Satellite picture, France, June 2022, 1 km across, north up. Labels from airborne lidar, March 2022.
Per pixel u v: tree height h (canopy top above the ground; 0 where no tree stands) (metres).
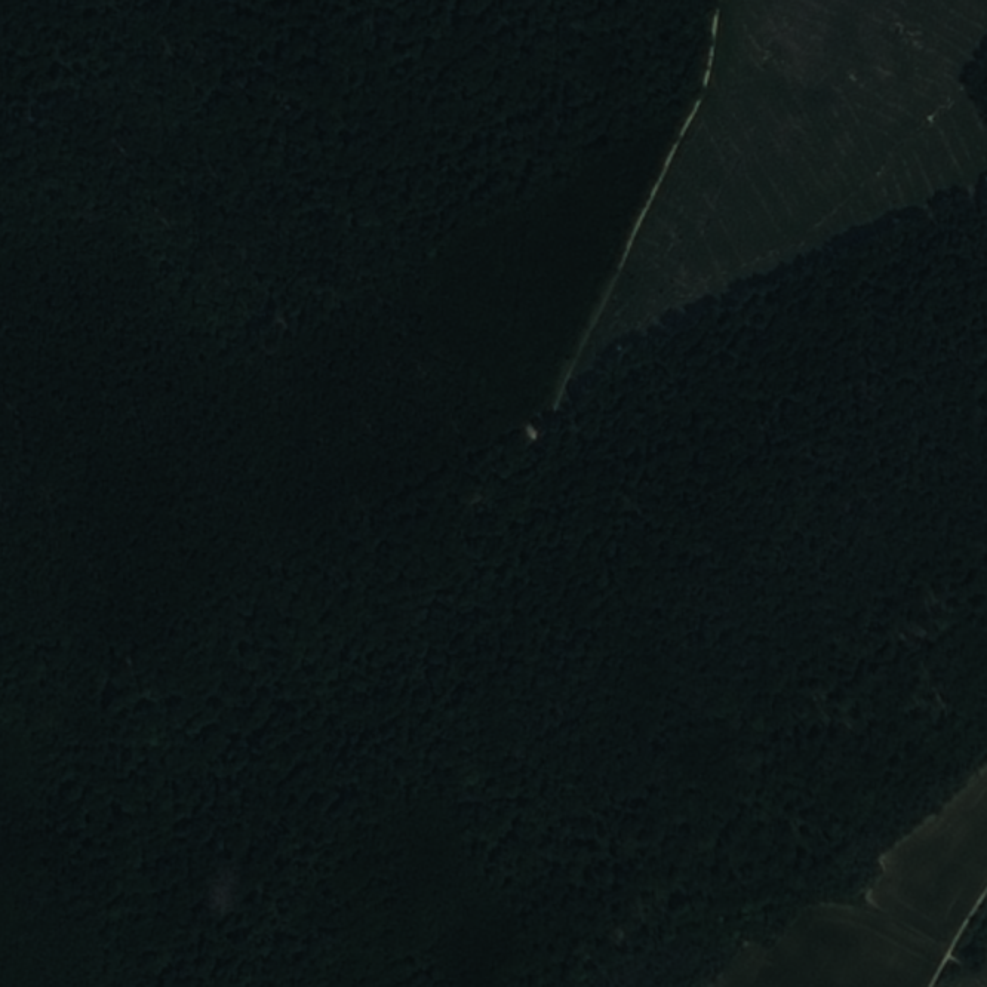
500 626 18
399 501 27
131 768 23
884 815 19
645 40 18
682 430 20
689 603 14
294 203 21
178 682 24
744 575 15
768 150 0
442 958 13
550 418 23
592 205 14
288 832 18
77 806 24
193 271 20
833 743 19
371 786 22
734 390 21
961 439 15
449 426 17
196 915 22
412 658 16
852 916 0
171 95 17
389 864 13
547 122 24
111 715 15
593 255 15
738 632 14
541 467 24
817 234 0
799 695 12
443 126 15
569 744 18
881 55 0
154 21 20
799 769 15
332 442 18
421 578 22
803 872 17
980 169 0
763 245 0
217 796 25
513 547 22
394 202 21
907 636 22
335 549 21
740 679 14
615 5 25
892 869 0
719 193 0
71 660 20
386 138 24
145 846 25
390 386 18
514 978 15
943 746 10
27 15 17
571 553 19
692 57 25
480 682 24
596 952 18
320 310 23
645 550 25
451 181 16
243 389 18
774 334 21
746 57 0
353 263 20
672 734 17
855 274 18
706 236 0
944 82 0
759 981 0
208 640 22
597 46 26
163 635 22
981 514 15
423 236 20
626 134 20
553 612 22
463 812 21
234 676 23
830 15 0
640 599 16
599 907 23
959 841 0
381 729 20
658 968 13
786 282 19
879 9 0
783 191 0
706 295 0
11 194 16
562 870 20
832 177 0
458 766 22
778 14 0
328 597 18
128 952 23
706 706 19
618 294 0
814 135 0
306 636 20
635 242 0
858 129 0
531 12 18
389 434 18
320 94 24
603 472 22
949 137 0
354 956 8
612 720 17
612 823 20
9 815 17
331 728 13
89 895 20
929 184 0
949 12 0
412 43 22
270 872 16
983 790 0
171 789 20
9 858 19
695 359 20
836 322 20
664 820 15
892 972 0
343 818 24
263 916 17
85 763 26
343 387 17
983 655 15
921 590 21
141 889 20
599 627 18
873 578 14
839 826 16
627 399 23
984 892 0
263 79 24
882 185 0
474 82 18
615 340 0
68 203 20
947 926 0
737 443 21
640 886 15
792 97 0
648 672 19
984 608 15
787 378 20
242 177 18
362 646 24
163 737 24
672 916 14
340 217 22
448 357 15
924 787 16
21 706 19
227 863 24
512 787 24
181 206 21
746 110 0
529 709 17
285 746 26
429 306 14
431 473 24
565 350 12
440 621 20
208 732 23
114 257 19
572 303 14
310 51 7
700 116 0
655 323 0
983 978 0
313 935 14
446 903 14
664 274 0
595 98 22
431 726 17
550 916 15
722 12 0
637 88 22
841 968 0
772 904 24
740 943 14
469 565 22
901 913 0
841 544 11
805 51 0
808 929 0
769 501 13
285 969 17
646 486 22
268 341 26
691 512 21
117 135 19
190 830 25
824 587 14
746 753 23
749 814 16
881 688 18
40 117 21
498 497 26
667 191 0
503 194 23
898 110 0
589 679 15
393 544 23
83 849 19
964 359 16
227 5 20
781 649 16
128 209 14
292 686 25
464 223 19
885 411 16
